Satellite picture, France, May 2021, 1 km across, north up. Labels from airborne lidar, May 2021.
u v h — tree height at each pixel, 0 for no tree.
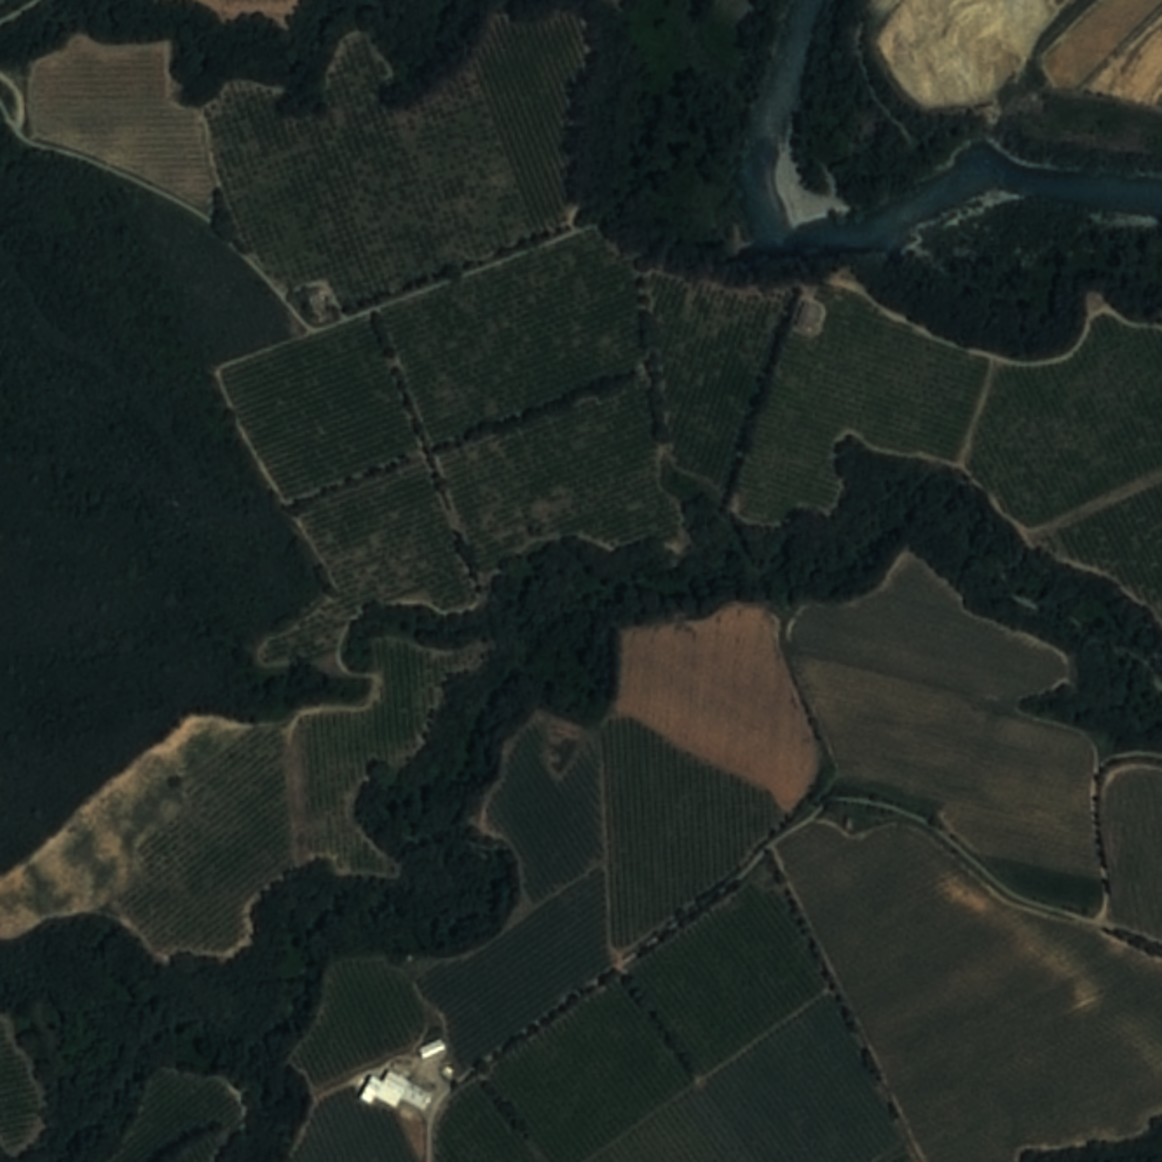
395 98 28
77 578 7
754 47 27
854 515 14
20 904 0
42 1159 22
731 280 15
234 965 11
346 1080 0
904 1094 0
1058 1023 0
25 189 7
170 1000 16
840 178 11
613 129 24
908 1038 0
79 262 8
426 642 15
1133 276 20
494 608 10
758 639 0
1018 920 0
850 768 0
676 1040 15
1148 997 0
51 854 0
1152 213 0
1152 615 11
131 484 9
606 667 8
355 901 33
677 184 28
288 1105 19
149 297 10
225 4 0
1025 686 0
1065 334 16
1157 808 0
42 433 7
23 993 16
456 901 22
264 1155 15
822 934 0
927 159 23
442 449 14
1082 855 0
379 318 11
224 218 14
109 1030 17
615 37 14
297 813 0
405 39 21
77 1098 8
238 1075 17
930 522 14
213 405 6
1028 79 0
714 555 18
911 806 0
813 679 0
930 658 0
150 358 6
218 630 12
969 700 0
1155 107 0
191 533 5
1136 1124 0
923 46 0
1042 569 10
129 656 6
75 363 6
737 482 17
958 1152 0
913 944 0
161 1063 10
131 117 0
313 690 12
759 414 13
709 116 22
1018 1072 0
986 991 0
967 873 0
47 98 0
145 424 7
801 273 18
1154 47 0
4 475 5
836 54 12
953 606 0
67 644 6
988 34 0
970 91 0
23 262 7
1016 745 0
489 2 19
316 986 19
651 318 14
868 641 0
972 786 0
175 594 9
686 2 6
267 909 14
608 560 15
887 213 0
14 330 6
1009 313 27
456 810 8
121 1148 11
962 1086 0
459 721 11
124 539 7
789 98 0
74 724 7
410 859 11
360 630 16
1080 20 0
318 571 11
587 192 24
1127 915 0
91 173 7
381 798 25
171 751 0
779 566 13
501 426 13
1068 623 13
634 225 19
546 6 27
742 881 7
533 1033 10
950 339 10
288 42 7
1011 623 8
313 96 15
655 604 21
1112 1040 0
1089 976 0
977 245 10
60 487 14
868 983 0
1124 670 7
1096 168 25
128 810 0
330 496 11
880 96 8
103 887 0
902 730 0
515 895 7
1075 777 0
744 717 0
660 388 6
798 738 0
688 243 25
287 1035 23
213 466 8
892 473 14
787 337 19
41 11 11
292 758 0
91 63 0
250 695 10
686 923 10
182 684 6
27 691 6
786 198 0
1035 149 6
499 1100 9
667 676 0
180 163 0
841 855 0
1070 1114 0
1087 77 0
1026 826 0
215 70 21
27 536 8
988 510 10
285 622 11
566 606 14
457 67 25
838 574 22
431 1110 0
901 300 14
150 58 0
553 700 17
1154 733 17
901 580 0
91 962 21
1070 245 6
